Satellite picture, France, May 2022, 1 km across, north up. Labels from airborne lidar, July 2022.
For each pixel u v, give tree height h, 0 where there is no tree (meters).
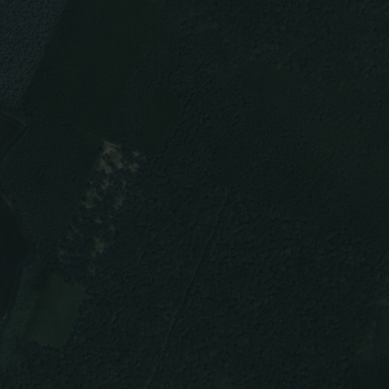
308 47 31
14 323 26
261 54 32
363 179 18
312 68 25
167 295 23
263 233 27
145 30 15
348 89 33
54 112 12
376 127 20
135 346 23
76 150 10
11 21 36
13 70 33
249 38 30
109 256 23
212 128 28
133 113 15
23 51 27
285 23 29
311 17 29
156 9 15
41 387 25
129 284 21
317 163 19
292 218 27
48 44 15
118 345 33
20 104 10
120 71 15
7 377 24
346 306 30
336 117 20
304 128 18
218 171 18
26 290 24
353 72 29
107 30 15
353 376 10
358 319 23
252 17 30
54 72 14
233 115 27
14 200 9
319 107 20
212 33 30
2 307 0
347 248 29
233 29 27
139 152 17
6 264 0
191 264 27
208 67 28
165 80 16
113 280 25
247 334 26
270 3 24
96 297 27
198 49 26
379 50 29
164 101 17
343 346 25
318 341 25
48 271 12
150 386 15
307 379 25
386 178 20
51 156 11
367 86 28
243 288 31
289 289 31
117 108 14
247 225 29
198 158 25
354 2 29
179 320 27
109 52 16
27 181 12
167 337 16
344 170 18
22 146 10
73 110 12
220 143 18
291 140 17
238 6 32
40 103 12
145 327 27
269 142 17
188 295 22
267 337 22
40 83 16
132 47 16
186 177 28
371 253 29
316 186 18
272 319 26
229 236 28
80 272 32
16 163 11
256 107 16
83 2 14
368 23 31
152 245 32
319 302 22
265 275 28
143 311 29
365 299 28
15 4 33
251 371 26
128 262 22
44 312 0
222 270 29
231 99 27
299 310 27
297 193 19
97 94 14
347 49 30
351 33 28
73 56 14
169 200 22
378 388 8
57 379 23
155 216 26
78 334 28
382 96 19
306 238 31
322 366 24
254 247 28
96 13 16
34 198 12
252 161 18
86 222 27
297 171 19
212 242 23
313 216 19
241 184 17
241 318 23
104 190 26
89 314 23
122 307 27
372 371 7
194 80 24
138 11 17
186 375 27
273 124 16
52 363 32
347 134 18
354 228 22
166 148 26
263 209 27
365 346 6
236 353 25
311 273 31
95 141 11
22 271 20
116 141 16
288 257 26
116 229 26
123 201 0
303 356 31
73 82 13
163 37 16
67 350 24
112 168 30
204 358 29
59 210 10
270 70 17
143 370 28
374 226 23
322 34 28
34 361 29
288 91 9
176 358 27
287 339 22
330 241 9
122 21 17
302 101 18
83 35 15
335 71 31
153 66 14
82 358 23
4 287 0
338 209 20
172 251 29
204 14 28
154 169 25
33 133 11
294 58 34
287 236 25
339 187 19
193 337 29
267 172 17
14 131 0
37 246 20
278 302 29
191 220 20
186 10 26
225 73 26
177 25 15
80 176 11
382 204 20
